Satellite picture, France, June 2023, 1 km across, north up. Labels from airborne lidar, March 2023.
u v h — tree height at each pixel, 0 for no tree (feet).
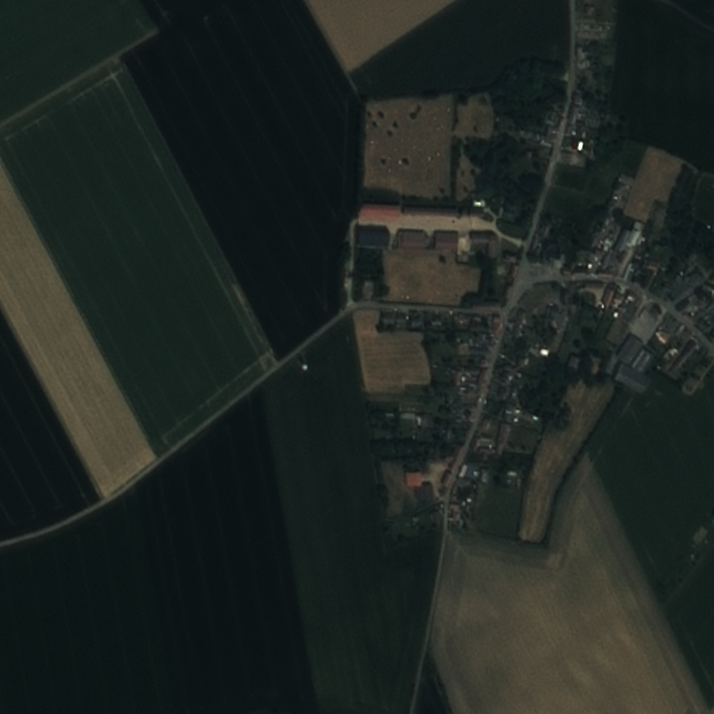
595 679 0
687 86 0
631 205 0
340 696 0
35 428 0
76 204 0
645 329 0
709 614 0
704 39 0
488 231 0
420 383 0
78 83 0
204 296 0
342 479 0
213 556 0
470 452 0
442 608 0
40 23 0
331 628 0
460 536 0
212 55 0
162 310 0
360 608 0
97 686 0
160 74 0
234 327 0
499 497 0
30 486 0
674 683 0
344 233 0
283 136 0
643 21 0
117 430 0
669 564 0
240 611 0
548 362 57
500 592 0
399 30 0
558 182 0
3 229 0
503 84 46
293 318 0
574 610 0
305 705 0
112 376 0
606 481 0
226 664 0
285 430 0
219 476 0
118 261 0
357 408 0
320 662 0
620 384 30
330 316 0
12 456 0
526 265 0
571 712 0
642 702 0
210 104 0
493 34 0
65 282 0
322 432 0
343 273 0
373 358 0
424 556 0
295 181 0
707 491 0
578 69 0
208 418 0
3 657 0
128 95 0
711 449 0
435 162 0
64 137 0
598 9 0
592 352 36
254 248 0
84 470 0
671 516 0
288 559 0
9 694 0
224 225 0
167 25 0
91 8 0
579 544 0
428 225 0
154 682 0
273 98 0
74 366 0
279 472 0
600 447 0
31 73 0
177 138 0
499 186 46
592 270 0
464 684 0
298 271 0
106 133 0
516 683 0
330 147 0
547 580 0
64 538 0
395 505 0
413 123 0
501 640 0
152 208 0
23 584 0
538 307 0
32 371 0
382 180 0
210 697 0
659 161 0
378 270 29
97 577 0
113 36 0
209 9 0
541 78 57
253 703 0
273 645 0
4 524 0
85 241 0
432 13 0
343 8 0
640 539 0
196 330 0
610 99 19
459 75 0
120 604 0
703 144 0
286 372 0
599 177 0
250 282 0
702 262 0
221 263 0
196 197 0
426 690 0
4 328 0
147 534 0
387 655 0
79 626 0
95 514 0
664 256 0
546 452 0
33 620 0
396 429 23
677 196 40
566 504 0
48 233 0
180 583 0
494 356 0
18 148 0
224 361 0
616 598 0
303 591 0
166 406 0
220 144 0
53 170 0
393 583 0
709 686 0
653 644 0
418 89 0
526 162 0
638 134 0
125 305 0
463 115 0
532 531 0
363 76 0
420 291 0
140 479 0
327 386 0
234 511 0
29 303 0
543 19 0
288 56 0
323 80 0
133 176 0
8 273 0
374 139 0
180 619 0
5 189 0
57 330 0
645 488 0
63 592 0
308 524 0
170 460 0
